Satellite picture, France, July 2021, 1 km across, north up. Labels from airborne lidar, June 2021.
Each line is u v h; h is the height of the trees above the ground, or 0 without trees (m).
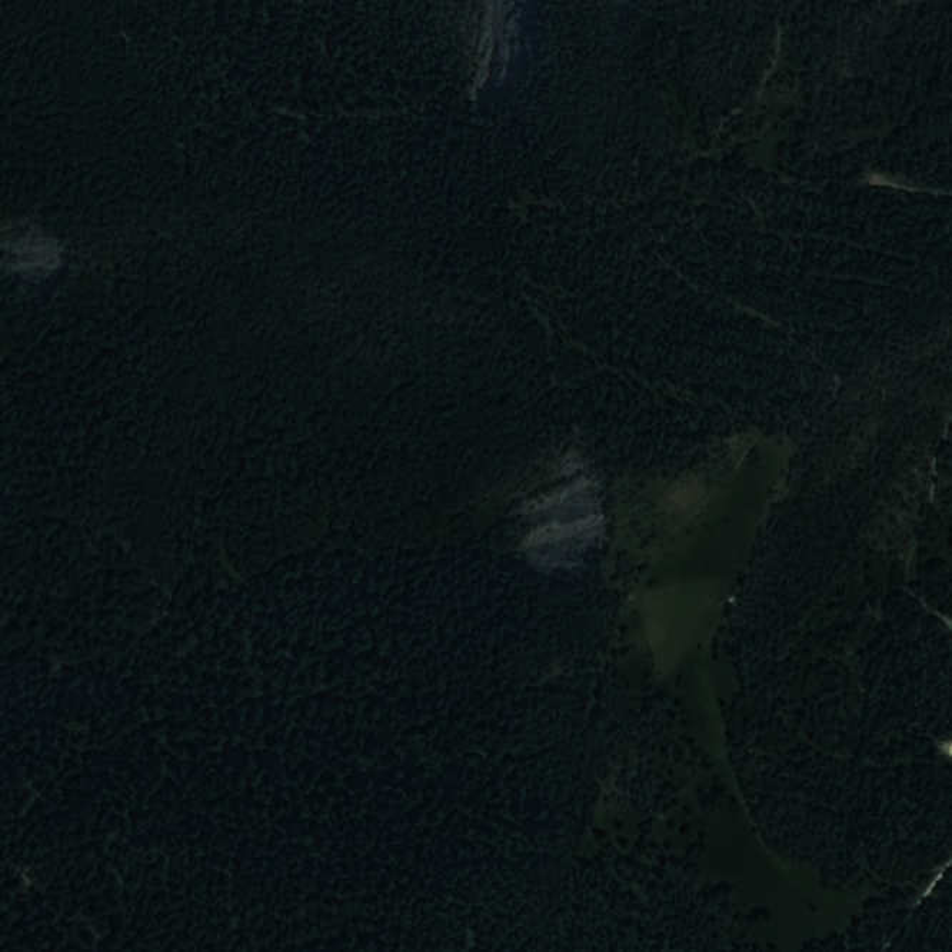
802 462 15
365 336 12
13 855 16
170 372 19
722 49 17
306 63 19
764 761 21
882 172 12
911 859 12
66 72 18
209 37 23
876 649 15
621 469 8
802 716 22
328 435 18
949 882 10
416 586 29
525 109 18
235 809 18
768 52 22
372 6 23
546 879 25
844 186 7
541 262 14
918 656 29
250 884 25
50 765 13
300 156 18
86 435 14
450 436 18
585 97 8
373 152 11
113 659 20
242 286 16
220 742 12
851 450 12
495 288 18
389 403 22
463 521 12
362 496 21
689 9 15
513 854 8
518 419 19
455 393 17
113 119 15
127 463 16
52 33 15
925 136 23
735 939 12
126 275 15
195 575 30
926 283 17
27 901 17
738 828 0
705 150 14
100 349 14
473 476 13
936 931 29
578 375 12
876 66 22
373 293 17
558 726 16
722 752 0
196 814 10
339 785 34
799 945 0
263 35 23
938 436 9
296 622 34
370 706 20
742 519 0
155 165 20
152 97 15
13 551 18
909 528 7
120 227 9
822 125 17
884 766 11
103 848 22
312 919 18
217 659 29
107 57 18
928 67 23
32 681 27
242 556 29
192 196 21
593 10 13
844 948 26
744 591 7
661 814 9
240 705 26
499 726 17
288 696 28
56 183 18
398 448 16
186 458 30
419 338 16
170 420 26
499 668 16
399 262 15
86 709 27
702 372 17
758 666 21
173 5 19
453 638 11
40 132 18
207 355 16
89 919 16
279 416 21
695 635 0
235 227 14
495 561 26
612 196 20
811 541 17
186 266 14
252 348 17
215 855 14
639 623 0
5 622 19
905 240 15
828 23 23
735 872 0
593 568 10
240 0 20
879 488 10
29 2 16
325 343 14
